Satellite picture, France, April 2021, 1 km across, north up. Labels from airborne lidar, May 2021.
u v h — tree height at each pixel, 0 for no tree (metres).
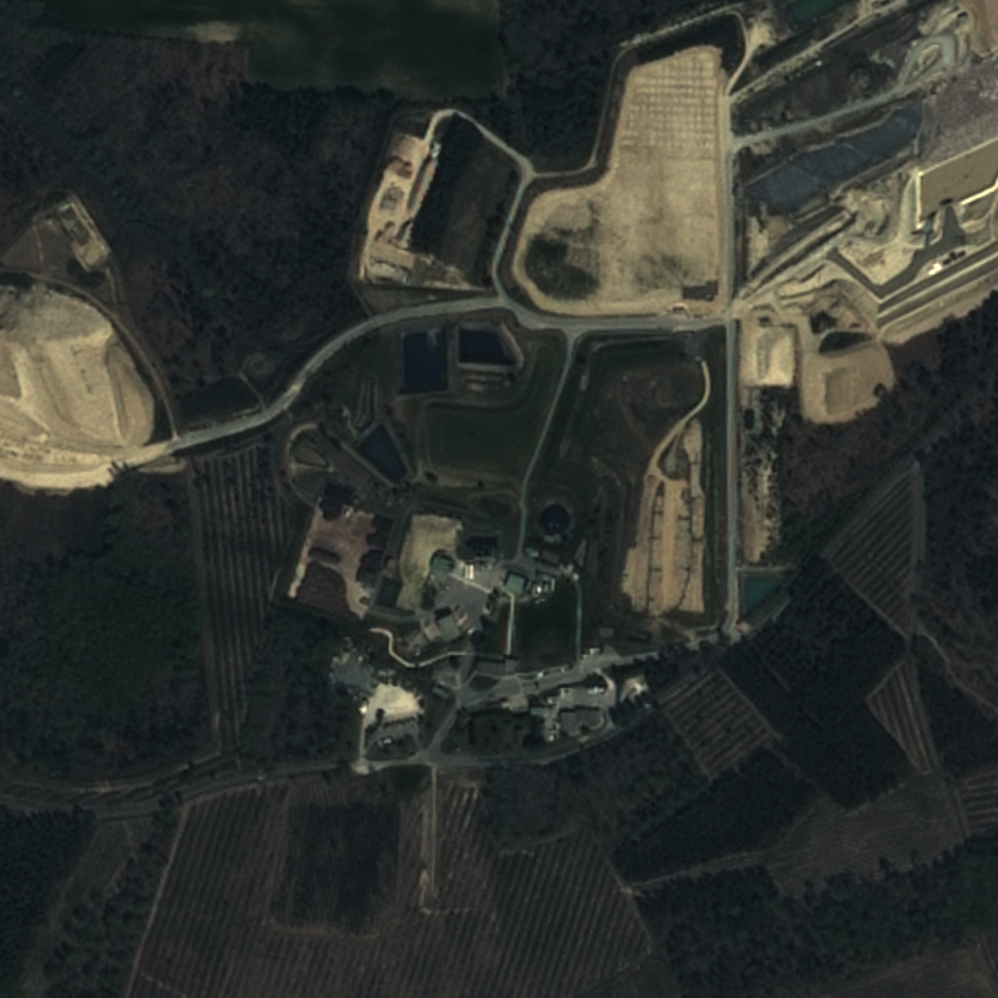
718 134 0
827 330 0
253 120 13
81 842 22
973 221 0
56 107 11
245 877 0
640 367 0
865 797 15
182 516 7
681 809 6
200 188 8
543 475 0
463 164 13
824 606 13
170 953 0
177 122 6
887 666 14
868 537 0
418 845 0
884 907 22
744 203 0
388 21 0
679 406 0
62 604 17
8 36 12
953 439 10
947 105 0
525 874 0
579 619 0
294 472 0
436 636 0
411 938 0
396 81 0
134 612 21
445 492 0
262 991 0
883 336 0
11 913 17
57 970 13
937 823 0
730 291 0
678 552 0
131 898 14
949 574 8
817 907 18
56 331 0
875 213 0
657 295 0
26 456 0
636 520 0
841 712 14
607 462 0
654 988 0
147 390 0
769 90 0
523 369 0
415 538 0
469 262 0
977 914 17
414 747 9
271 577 0
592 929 0
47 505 0
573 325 0
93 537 0
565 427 0
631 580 0
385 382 0
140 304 0
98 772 7
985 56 0
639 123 0
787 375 0
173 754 23
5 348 0
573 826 10
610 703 0
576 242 0
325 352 0
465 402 0
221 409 0
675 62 0
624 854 14
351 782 10
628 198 0
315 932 0
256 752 10
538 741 8
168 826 11
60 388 0
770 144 0
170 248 9
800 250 0
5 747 22
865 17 0
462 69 0
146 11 0
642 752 6
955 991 0
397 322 0
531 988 0
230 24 0
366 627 0
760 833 16
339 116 12
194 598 16
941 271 0
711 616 0
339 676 0
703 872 0
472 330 0
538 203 0
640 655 0
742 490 0
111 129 8
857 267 0
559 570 0
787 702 14
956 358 11
